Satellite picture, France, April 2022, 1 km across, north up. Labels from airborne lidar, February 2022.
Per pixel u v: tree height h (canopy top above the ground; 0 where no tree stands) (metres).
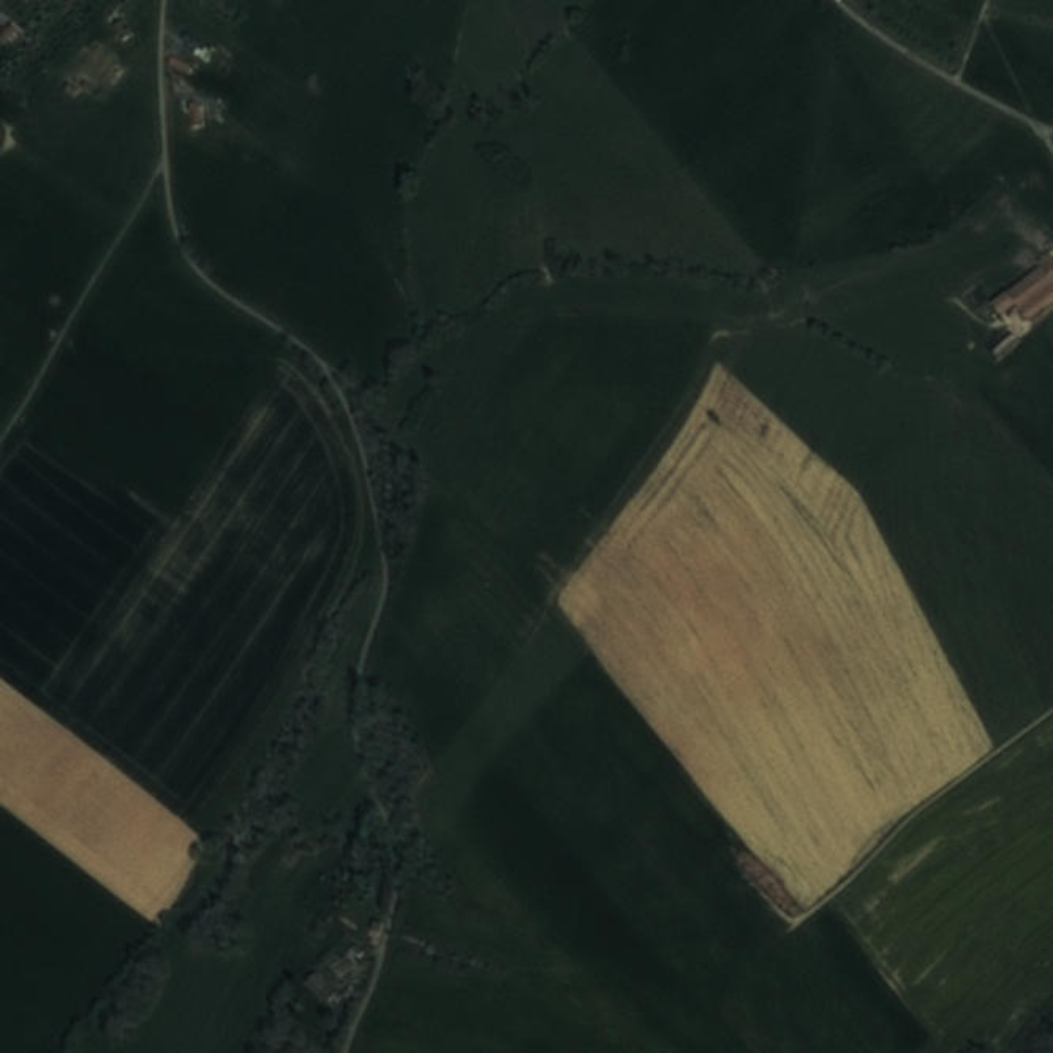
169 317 0
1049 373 0
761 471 0
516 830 0
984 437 0
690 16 0
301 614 0
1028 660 0
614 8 0
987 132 0
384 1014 0
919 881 0
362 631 0
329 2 0
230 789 0
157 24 0
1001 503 0
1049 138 0
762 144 0
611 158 0
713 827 0
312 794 0
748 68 0
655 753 0
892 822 0
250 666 0
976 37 0
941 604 0
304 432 0
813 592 0
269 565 0
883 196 7
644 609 0
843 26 0
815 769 0
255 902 0
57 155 0
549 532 0
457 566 0
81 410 0
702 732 0
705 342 0
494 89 0
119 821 0
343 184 0
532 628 0
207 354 0
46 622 0
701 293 0
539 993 0
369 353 0
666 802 0
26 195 0
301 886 0
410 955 0
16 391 0
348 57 0
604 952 0
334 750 0
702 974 0
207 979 0
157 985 24
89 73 0
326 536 0
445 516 0
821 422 0
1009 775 0
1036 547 0
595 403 0
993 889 0
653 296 0
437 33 0
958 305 0
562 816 0
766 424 0
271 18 0
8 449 0
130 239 0
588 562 0
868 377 0
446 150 0
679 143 0
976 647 0
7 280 0
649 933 0
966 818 0
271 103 0
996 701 0
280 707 0
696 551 0
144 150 0
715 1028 0
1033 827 0
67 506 0
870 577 0
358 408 7
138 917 0
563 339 0
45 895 0
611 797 0
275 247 0
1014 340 0
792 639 0
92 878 0
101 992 0
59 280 0
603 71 0
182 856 0
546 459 0
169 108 0
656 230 0
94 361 0
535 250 0
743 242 0
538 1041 0
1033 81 0
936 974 0
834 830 0
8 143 0
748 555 0
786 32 0
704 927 0
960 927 0
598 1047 0
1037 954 0
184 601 0
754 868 0
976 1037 0
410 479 17
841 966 0
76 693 0
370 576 6
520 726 0
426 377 0
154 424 0
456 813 0
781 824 0
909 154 0
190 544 0
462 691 0
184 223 0
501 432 0
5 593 0
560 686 0
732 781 0
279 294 0
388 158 0
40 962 0
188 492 0
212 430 0
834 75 0
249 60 0
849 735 0
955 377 0
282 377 0
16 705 0
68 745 0
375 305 0
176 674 0
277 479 0
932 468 0
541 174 0
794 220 0
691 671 0
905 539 0
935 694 0
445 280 0
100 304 0
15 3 0
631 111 0
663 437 0
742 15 0
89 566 0
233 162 0
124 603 0
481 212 0
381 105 0
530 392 0
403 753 17
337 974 0
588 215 0
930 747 0
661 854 0
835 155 0
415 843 7
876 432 0
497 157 8
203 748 0
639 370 0
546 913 0
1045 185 0
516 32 0
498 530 0
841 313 0
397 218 0
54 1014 0
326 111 0
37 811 0
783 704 0
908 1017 0
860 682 0
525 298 0
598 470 0
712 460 0
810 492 0
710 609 0
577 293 0
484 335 0
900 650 0
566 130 0
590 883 0
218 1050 0
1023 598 0
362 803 0
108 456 0
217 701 0
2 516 0
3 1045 0
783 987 0
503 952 0
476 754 0
